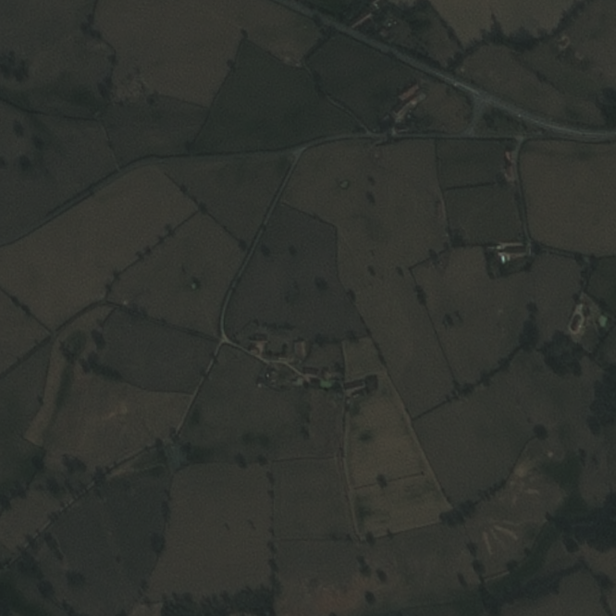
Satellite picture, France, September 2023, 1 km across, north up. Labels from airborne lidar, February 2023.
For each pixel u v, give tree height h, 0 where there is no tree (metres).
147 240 0
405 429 0
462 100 0
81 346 0
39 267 0
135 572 0
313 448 0
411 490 0
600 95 0
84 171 0
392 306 0
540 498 0
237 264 0
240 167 0
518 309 0
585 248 0
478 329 0
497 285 0
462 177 0
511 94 0
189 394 0
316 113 0
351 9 7
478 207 0
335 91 0
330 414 0
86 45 0
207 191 0
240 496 0
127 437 0
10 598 0
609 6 0
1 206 0
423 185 0
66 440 0
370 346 0
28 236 0
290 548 0
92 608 0
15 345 0
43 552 0
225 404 0
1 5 0
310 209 0
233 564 0
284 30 0
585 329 0
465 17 0
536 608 0
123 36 0
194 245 0
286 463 0
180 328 0
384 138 0
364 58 0
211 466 0
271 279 0
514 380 0
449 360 0
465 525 0
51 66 0
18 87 0
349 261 0
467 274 0
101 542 0
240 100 0
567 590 0
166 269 0
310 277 0
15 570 0
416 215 0
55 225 0
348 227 0
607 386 8
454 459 0
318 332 0
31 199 0
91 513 0
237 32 0
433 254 13
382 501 0
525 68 0
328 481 0
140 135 0
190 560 0
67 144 0
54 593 11
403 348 0
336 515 0
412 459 0
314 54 6
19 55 0
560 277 0
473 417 0
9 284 0
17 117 0
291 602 0
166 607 11
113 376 14
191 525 0
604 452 0
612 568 0
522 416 0
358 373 0
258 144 0
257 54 0
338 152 0
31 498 0
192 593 0
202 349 0
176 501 0
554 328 0
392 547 0
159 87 0
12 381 0
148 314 9
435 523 0
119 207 0
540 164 0
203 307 0
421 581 0
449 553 0
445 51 0
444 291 0
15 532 0
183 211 0
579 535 14
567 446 0
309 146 0
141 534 0
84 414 0
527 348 16
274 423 0
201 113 0
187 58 0
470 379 0
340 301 0
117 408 0
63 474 0
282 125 0
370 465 0
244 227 0
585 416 0
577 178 0
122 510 0
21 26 0
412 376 0
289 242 0
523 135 0
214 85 0
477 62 0
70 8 0
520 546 0
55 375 0
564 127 0
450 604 0
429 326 0
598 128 0
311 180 0
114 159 0
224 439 0
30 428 0
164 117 0
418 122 10
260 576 0
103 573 0
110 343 0
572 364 13
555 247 0
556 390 0
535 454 0
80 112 0
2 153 0
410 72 0
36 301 0
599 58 0
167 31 0
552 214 0
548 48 0
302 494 0
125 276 0
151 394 0
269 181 0
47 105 0
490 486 0
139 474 0
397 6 6
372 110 0
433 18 0
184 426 0
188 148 12
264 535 0
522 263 0
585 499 0
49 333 0
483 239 0
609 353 0
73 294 0
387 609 0
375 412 0
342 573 0
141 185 0
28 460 0
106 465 0
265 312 0
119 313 0
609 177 0
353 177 0
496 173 0
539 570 0
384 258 0
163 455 18
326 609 0
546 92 0
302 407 0
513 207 0
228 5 0
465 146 0
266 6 0
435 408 0
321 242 0
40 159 0
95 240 0
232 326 0
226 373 0
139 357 0
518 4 0
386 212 0
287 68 0
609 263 0
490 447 0
